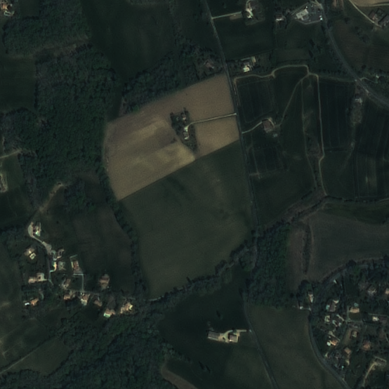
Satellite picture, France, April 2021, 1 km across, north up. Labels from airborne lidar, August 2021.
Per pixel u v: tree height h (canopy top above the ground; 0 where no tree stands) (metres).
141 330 23
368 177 0
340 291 8
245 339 0
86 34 18
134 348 26
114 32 0
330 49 14
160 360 26
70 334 13
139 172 0
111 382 27
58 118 30
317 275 0
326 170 0
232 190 0
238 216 0
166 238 0
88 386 20
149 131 0
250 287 21
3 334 0
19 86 0
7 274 0
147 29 0
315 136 0
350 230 0
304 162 0
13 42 19
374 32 0
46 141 28
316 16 0
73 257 0
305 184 0
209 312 0
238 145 0
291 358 0
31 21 20
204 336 0
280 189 0
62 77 6
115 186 0
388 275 17
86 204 23
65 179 25
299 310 0
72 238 0
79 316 7
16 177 0
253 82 0
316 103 0
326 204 0
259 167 0
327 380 0
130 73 0
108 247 0
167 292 0
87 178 0
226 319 0
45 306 21
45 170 18
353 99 11
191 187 0
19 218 0
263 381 0
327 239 0
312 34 0
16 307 0
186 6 0
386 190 0
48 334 0
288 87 0
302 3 0
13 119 21
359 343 13
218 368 0
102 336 16
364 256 0
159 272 0
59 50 0
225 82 0
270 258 23
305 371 0
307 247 6
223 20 0
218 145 0
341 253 0
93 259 0
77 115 32
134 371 26
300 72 0
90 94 25
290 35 0
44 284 12
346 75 14
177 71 6
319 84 0
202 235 0
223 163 0
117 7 0
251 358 0
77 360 26
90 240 0
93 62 24
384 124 0
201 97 0
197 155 0
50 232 0
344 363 11
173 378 0
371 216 0
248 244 18
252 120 0
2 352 0
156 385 17
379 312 17
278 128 0
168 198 0
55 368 0
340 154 0
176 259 0
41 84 20
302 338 0
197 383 0
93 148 28
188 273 0
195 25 0
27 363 0
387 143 0
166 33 0
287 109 0
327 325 10
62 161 30
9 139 15
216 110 0
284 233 20
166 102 0
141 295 21
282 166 0
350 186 0
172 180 0
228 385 0
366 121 0
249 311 0
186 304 0
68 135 32
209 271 0
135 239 15
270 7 0
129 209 0
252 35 0
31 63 0
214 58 13
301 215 9
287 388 0
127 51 0
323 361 0
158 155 0
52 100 28
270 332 0
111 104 11
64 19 23
